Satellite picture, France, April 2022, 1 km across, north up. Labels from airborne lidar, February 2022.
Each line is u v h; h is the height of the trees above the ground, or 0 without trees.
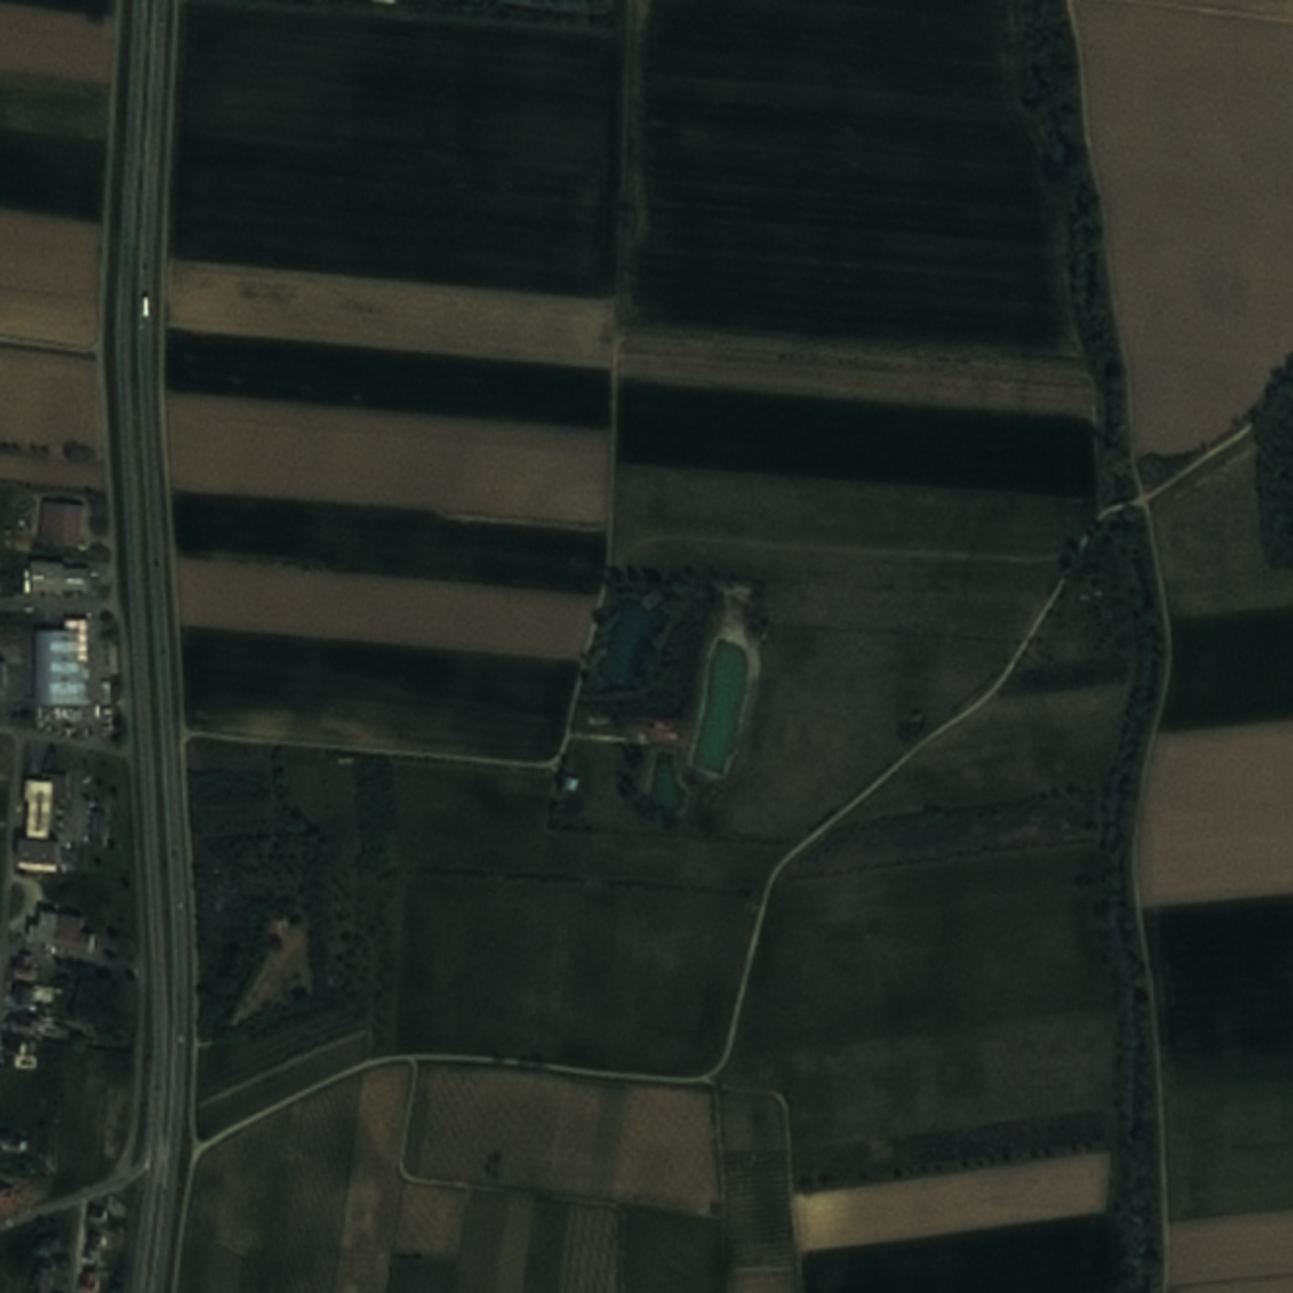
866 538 0
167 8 0
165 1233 0
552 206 0
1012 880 0
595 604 0
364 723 0
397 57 0
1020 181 0
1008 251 0
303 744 0
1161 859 0
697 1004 0
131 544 0
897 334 0
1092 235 12
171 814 0
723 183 0
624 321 0
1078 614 0
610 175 0
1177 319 0
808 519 0
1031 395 0
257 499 0
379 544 0
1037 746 0
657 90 0
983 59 0
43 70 0
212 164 0
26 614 0
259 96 0
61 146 0
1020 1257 0
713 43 0
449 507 0
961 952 0
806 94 0
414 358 0
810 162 0
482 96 0
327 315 0
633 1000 0
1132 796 15
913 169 0
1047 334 0
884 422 0
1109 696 0
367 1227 0
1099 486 0
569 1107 0
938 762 0
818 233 0
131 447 0
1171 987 0
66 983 8
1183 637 0
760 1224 0
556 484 0
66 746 0
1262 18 0
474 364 0
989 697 0
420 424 0
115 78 0
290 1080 0
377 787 6
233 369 0
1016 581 0
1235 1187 0
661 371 0
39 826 0
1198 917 0
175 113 0
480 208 0
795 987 0
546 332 0
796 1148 0
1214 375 0
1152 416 0
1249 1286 0
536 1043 0
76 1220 0
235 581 0
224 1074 0
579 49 0
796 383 0
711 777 0
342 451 0
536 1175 0
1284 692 0
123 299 0
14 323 0
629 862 0
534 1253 0
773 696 0
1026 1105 0
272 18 0
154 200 0
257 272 0
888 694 0
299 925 11
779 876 0
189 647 0
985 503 0
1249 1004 0
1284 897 0
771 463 0
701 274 0
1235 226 0
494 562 0
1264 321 0
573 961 0
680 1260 0
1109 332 10
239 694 0
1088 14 0
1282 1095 0
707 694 0
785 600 0
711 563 0
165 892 0
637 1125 0
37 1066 0
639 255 0
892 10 0
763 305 0
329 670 0
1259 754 0
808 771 0
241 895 12
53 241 0
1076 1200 0
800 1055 0
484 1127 0
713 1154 0
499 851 0
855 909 0
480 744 0
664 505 0
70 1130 0
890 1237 0
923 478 0
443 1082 0
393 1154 0
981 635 0
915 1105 0
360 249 0
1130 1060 8
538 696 0
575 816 0
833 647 0
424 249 0
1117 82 0
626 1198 0
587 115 0
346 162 0
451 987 0
